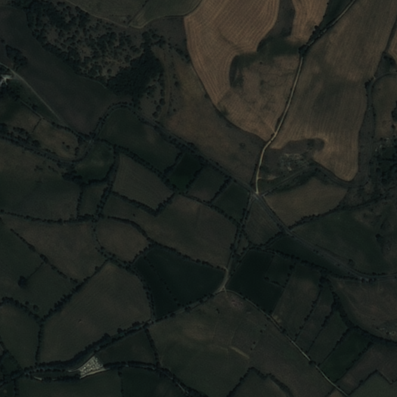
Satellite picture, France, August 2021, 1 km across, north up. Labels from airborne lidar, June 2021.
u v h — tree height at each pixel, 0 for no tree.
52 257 0
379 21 0
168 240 0
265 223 0
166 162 0
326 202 0
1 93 13
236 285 0
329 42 0
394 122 0
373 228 0
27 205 0
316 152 0
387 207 0
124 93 17
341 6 0
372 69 0
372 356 0
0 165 0
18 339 0
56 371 11
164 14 0
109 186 8
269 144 0
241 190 0
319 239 0
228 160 0
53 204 0
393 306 0
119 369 12
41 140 0
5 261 0
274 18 0
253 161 0
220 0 0
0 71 12
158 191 0
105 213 0
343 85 0
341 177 0
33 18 8
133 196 0
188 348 0
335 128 0
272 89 0
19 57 17
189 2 0
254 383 0
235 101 0
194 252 0
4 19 0
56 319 0
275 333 0
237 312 0
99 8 0
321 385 0
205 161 12
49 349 0
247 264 0
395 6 0
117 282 0
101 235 0
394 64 9
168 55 0
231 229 0
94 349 8
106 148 0
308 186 0
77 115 0
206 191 0
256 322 0
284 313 0
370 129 0
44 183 0
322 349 0
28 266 0
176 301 9
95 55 7
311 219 8
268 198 0
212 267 8
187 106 0
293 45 0
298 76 0
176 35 0
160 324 0
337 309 14
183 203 0
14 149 0
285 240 0
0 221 10
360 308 0
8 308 0
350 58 0
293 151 0
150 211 14
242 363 0
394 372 0
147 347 0
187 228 0
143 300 0
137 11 0
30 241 0
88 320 0
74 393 0
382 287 0
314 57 0
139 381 0
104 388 0
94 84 0
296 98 0
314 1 0
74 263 0
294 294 0
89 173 0
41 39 12
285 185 6
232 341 0
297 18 0
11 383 8
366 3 0
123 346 0
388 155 0
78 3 0
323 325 8
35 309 11
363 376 0
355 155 0
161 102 12
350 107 0
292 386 0
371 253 0
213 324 0
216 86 0
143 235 11
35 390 0
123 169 0
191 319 0
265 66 0
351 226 0
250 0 0
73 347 0
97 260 0
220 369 0
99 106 0
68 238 0
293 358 0
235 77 0
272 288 0
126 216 0
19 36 0
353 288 0
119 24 0
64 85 0
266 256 0
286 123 0
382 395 0
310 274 0
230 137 0
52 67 0
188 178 0
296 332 0
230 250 9
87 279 10
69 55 8
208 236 0
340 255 0
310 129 0
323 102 0
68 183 0
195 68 0
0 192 0
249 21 0
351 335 0
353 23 0
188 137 0
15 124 0
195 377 0
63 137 0
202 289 0
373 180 0
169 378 10
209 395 0
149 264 9
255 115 0
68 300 15
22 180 0
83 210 0
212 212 0
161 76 10
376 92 0
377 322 0
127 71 15
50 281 0
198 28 0
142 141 0
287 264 0
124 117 0
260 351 0
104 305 0
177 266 0
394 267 0
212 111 0
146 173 0
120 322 0
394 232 0
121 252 0
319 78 0
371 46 0
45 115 0
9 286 0
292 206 0
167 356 0
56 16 11
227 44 0
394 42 0
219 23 0
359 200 0
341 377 0
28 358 0
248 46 0
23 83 0
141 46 7
